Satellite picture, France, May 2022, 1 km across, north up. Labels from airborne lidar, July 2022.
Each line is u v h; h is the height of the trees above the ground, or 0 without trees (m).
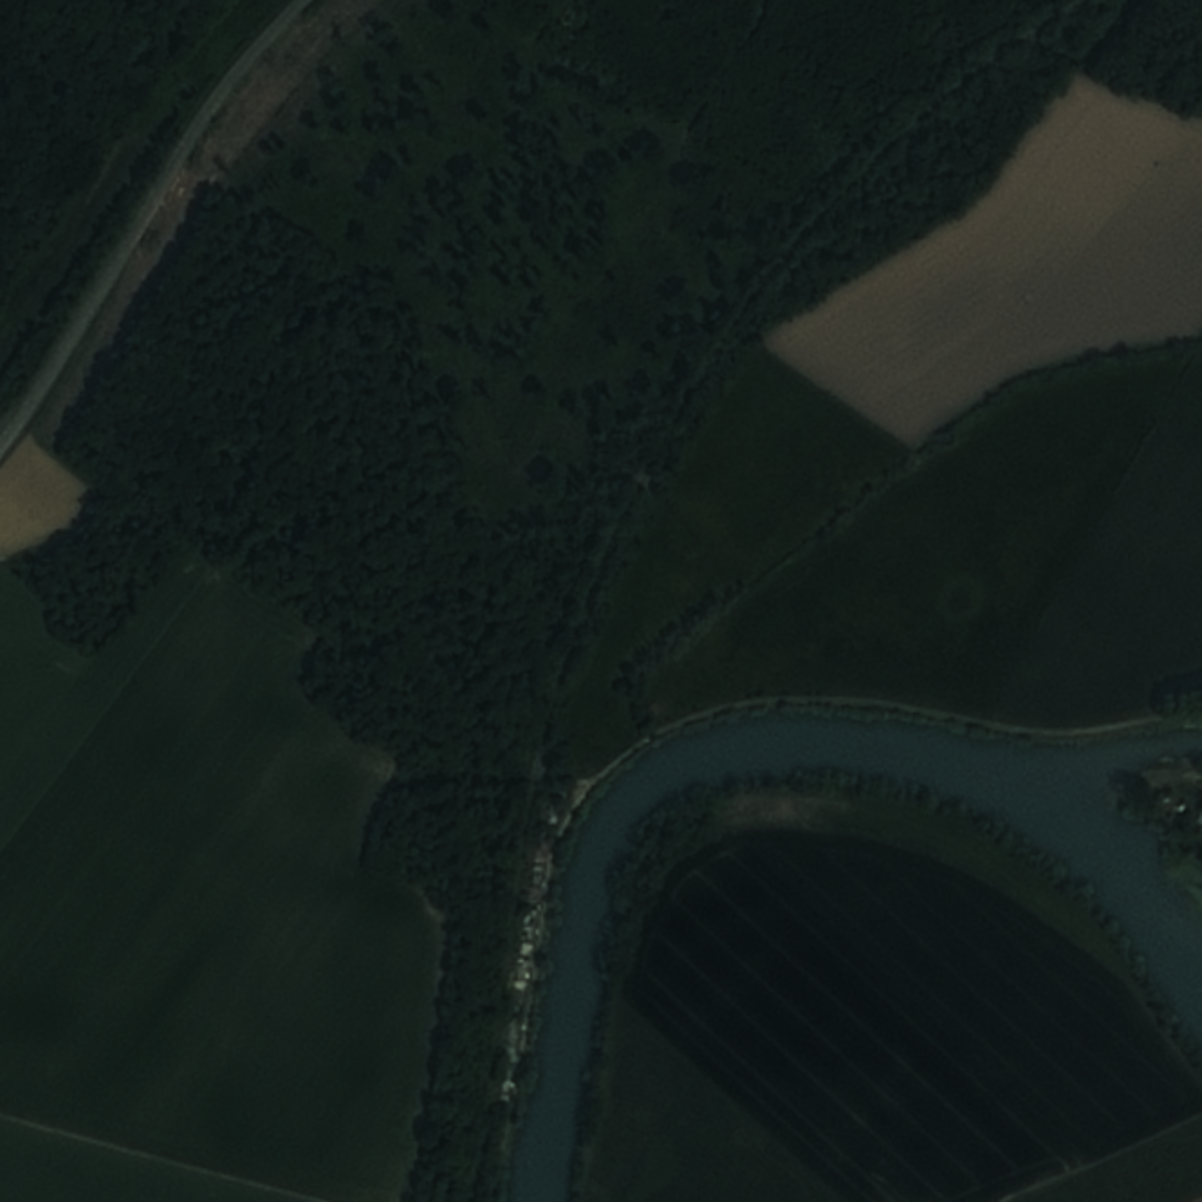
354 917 0
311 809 0
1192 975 0
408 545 29
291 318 29
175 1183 0
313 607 18
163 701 0
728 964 0
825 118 11
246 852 0
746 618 0
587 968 0
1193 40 17
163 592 0
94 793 0
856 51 11
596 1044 9
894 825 0
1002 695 0
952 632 0
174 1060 0
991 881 0
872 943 0
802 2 11
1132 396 0
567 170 29
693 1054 0
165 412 28
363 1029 0
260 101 0
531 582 16
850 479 0
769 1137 0
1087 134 0
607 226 33
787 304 26
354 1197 0
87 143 27
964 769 0
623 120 28
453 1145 21
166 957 0
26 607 0
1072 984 0
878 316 0
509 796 17
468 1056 23
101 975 0
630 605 0
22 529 0
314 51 0
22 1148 0
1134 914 0
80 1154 0
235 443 28
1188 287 0
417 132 26
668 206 0
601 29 9
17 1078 0
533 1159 0
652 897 20
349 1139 0
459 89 0
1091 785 0
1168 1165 0
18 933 0
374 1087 0
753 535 0
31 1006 0
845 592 0
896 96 15
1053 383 9
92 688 0
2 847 0
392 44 32
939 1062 0
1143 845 0
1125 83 24
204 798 0
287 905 0
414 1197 20
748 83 10
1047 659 0
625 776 0
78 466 20
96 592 25
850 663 0
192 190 0
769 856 0
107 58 24
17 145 28
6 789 0
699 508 0
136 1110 0
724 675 0
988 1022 0
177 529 24
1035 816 0
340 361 30
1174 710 27
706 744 0
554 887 12
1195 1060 13
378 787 0
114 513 26
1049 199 0
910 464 10
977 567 0
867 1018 0
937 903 0
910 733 0
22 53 27
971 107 29
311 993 0
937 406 0
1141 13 31
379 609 28
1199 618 0
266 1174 0
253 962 0
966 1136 0
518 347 28
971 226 0
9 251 26
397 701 28
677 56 12
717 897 0
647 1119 0
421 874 23
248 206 24
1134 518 0
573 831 11
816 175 9
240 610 0
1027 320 0
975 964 0
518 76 28
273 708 0
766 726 0
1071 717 0
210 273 30
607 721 0
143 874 0
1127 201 0
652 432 22
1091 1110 0
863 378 0
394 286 24
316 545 29
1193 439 0
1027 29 12
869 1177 0
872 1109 0
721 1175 0
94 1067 0
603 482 23
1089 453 0
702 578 0
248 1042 0
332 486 26
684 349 28
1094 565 0
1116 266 0
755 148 12
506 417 0
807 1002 0
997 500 0
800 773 11
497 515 0
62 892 0
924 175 27
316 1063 0
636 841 14
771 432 0
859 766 0
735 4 12
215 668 0
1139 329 0
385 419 24
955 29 7
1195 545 0
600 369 0
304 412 27
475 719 21
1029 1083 0
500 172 0
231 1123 0
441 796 23
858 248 24
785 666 0
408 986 0
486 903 20
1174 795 11
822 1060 0
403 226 0
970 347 0
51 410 0
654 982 0
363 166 0
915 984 0
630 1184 0
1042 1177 0
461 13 26
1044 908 0
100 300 0
